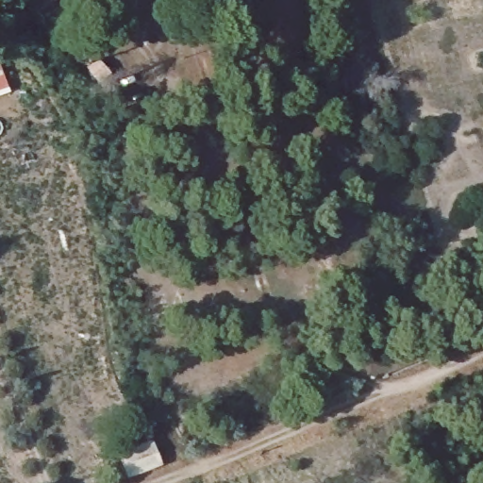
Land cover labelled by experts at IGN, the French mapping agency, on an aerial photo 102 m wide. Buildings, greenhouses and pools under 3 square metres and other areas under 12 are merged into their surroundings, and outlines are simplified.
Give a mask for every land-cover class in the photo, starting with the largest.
<instances>
[{"label":"deciduous trees","instance_id":"1","mask_svg":"<svg viewBox=\"0 0 483 483\"><path fill-rule=\"evenodd\" d=\"M364 0H155L153 19L162 28L166 42L181 45L206 43L213 58V77L202 79L198 85L191 81L187 85L181 83L175 91L168 89V94L145 96L142 104L138 102L136 106L128 108H125V104L119 98V89L104 92L98 81L89 72V64L102 60L111 72H119L126 57L138 49L136 43L128 40L125 30H121L126 19L121 13L123 4L119 0H0V68L4 70L11 89L26 92L25 96H21V106L25 113H34L40 119H53L51 130L66 134L79 130L83 136L79 153L96 160L94 175L85 183V198L91 213H85L83 221L85 225L98 221V226L102 230L109 228V217L121 223L117 249H104L98 257L106 270H115V279L109 281V300L113 302V308L121 311L113 325L117 334L115 343L130 349L132 343L142 340L145 332L162 328V334L177 336L175 347H185L194 357H200L202 362H211L253 351L260 345V340H264L270 343L268 357L264 358L262 366L257 368L274 389L270 413L264 415V421L268 425L300 428L304 423H315V415H319L323 408V396L300 377L306 370V358L287 349H281L274 311H262V338H247L241 334L238 309H226L223 306L221 311L211 313L204 319H194L191 315H185V304L162 306L160 298L155 296V292L160 291L158 285H147L136 274L142 266L153 274L160 272L164 277H170L174 285L181 289H194L202 283L211 285L219 279L240 281L249 275L264 274L270 279L277 275L275 266L296 268L309 260H323L332 255H343L353 247L360 253V257L366 260L364 266H345L336 285L326 289L321 285V289L309 292V298L304 304L309 321L304 325H298V341L308 347L313 357L319 355V351H323L326 368L340 370L351 364L355 370L370 375L372 383L377 387L383 383L387 368L392 364L406 366L423 360L428 368H440L447 362H460L483 351V183H477L460 192L447 217V221L455 226L458 234L460 230L470 226L477 228L475 238L464 240V245L457 251H449L445 247L440 257L432 249H425L423 241L413 240V228L408 225V221L411 217H419V211L426 208L425 187L434 181L436 168L441 160L455 151V132L460 125V117L455 113H445L438 117H423L421 100L413 91L391 89V98L379 102L372 100L368 94L353 91L343 100L336 98L338 79L349 75L357 57L358 34L351 25L353 17L362 11ZM440 0H411L406 8L411 25H417L421 19H440L445 11L438 4ZM177 362L175 358L142 351L138 357V368L147 372L151 394L157 396L160 391V379L170 370H174ZM17 364V360L9 358L0 368V377L4 379V385L13 387V391L8 394L9 400L13 402V409L23 408V411H26L30 406H34L32 392L23 379L9 377V370ZM426 398L430 402H438V409L434 411V421L449 430L445 434L449 451L457 453L462 464L468 462V457L472 453H483V370L445 377L441 383H434L432 389ZM119 389L125 396V404L121 406L123 409L119 413H111L106 419H100L92 428L91 440L98 441L100 453L104 458V462L96 470V483H142L147 479L143 472L136 475L128 474L123 460L132 457L134 453H142L151 443H155L153 426L147 423L138 400V396H142L140 379L123 374V381L119 383ZM215 402L211 400L204 408L208 413L209 425L217 426L223 423L228 443L249 438L243 434V425L236 423L232 417H226L223 411L213 408ZM6 443L15 451H26L28 447L25 440L15 438L13 432V409L4 411ZM332 423L353 428L360 423V417L353 415V411L349 409L332 415ZM387 457L370 455L360 460L353 468L341 470L340 475L334 477H326L321 483H436L430 474L434 470V464L423 462V451H415L409 445L406 432L394 430ZM34 447L42 451V458L26 460L23 472L26 475H36L47 472L51 477V483H53L58 479V462H64L66 458L62 453L51 457L47 453L49 443L38 440ZM466 483H483V462H477L468 472Z\"/></svg>","mask_w":483,"mask_h":483},{"label":"herbaceous vegetation","instance_id":"2","mask_svg":"<svg viewBox=\"0 0 483 483\"><path fill-rule=\"evenodd\" d=\"M123 4L121 13L126 19L121 30H125L128 40L136 43L138 49L126 57L119 72H111L100 77L98 81L104 92L119 89V98L125 104V108H128L136 106L138 102L142 104L145 96L168 94V89L175 91L181 83L187 85L191 81L198 85L202 79L213 77V58L206 43L181 45L166 42L162 28L153 19L155 0H119ZM411 0H364L362 11L353 17L351 25L358 34L357 57L349 75L338 79L336 98L343 100L353 91L368 94L372 100L379 102L391 98V89L413 91L421 100L423 117H438L445 113H455L460 117V125L455 132V151L441 160L436 168L434 181L425 187L426 208L419 211V217H411L408 221V225L413 228V240L423 241L425 249H432L440 257L445 247L449 251H457L464 245V240L475 238L477 228L470 226L460 230L458 234L455 226L447 221V217L460 192L477 183H483V0H440L438 4L445 11L440 19H421L417 25H411L406 8ZM26 92L11 89L8 94L0 96V368L9 358L17 360V364L9 370V377L23 379L32 392L34 406H30L26 411H23V408L13 409V402L9 400L8 394L13 391V387L4 385V379L0 377V483H51V477L47 472L36 475H26L23 472L26 460L42 458V451L34 447L38 440L49 443L47 453L51 457L62 453L66 458L64 462H58V479L53 483H96V470L104 462V458L100 453L98 441L91 440L92 428L100 419H106L111 413H119L123 409L121 406L125 404V396L119 389V383L123 381V374L140 379L142 396H138V400L147 423L153 426L155 443L162 457V464L143 472L147 479L191 466L198 458L221 453L228 464L181 483H321L326 477H334L340 475L341 470L353 468L360 460L370 455L387 457L394 430L406 432L409 445L415 451H423V462L434 464V470L430 474L436 483H466L468 472L477 462H483V453H472L468 457V462L462 464L457 453L449 451L445 434L449 430L434 421V411L438 409V402H430L426 398L432 389L425 387L417 391L383 396V392L377 387L372 383L370 375L355 370L351 364L340 370L326 368L323 351H319V355L313 357L308 347L298 341V325H304L309 321L304 304L309 298V292L321 289V285L326 289L336 285L345 266H364L366 260L360 257V253L353 247L343 255H332L323 260H309L296 268L275 266L277 275L270 279L264 274L249 275L240 281L219 279L211 285L202 283L194 289H181L174 285L170 277H164L160 272L153 274L142 266L136 274L147 285H158L160 291L155 292V296L160 298L162 306L185 304V315H191L194 319H204L211 313L221 311L223 306L226 309H238L241 334L247 338H262V311H274L281 349H287L306 358V370L300 377L323 396V408L319 415H315V423H304L300 428L268 425L253 438H249L228 443L223 423L217 426L209 425L208 413L204 408L211 400L213 391L232 387L257 368L262 366L264 358L268 357L270 343L264 340H260V345L253 351L211 362H202L200 357H194L185 347H175L177 336L162 334V328L145 332L142 340L132 343L130 349L115 343L117 334L113 325L121 311L113 308V302L109 300V281L115 279V270H106L98 257L104 249H117L121 223L109 217V228L102 230L98 226V221L85 225L83 221L85 213H91L85 198V183L94 175L96 160L79 153L83 136L79 130L66 134L51 130L53 119H40L34 113H25L21 106V96H25ZM142 351L175 358L177 362L174 370H170L160 379V391L157 396L151 394L147 372L138 368V357ZM13 409V432L15 438L25 440L28 447L26 451H15L6 443L4 411ZM349 409L353 411V415L360 417V423L353 428L332 423V415ZM428 368L423 360L406 366L392 364L387 368L383 383L423 374Z\"/></svg>","mask_w":483,"mask_h":483},{"label":"pervious surface","instance_id":"3","mask_svg":"<svg viewBox=\"0 0 483 483\"><path fill-rule=\"evenodd\" d=\"M483 370V351L460 362H447L440 368H428L423 374L383 383L377 387L383 392V396L417 391L425 387L432 389L434 383H441L445 377ZM228 464L221 453L198 458L191 466L147 479L142 483H181Z\"/></svg>","mask_w":483,"mask_h":483},{"label":"brushwood","instance_id":"4","mask_svg":"<svg viewBox=\"0 0 483 483\"><path fill-rule=\"evenodd\" d=\"M274 389L257 368L232 387L213 391L211 400L215 402L213 408L223 411L226 417H232L236 423L243 425V434L249 438H253L268 425L264 421V415L270 413Z\"/></svg>","mask_w":483,"mask_h":483},{"label":"building","instance_id":"5","mask_svg":"<svg viewBox=\"0 0 483 483\"><path fill-rule=\"evenodd\" d=\"M89 72L98 81L100 77L111 72L102 60L89 64ZM11 89L4 70L0 68V96L8 94ZM128 474L136 475L143 472L162 464V457L155 443H151L142 453H134L132 457L123 460Z\"/></svg>","mask_w":483,"mask_h":483}]
</instances>
